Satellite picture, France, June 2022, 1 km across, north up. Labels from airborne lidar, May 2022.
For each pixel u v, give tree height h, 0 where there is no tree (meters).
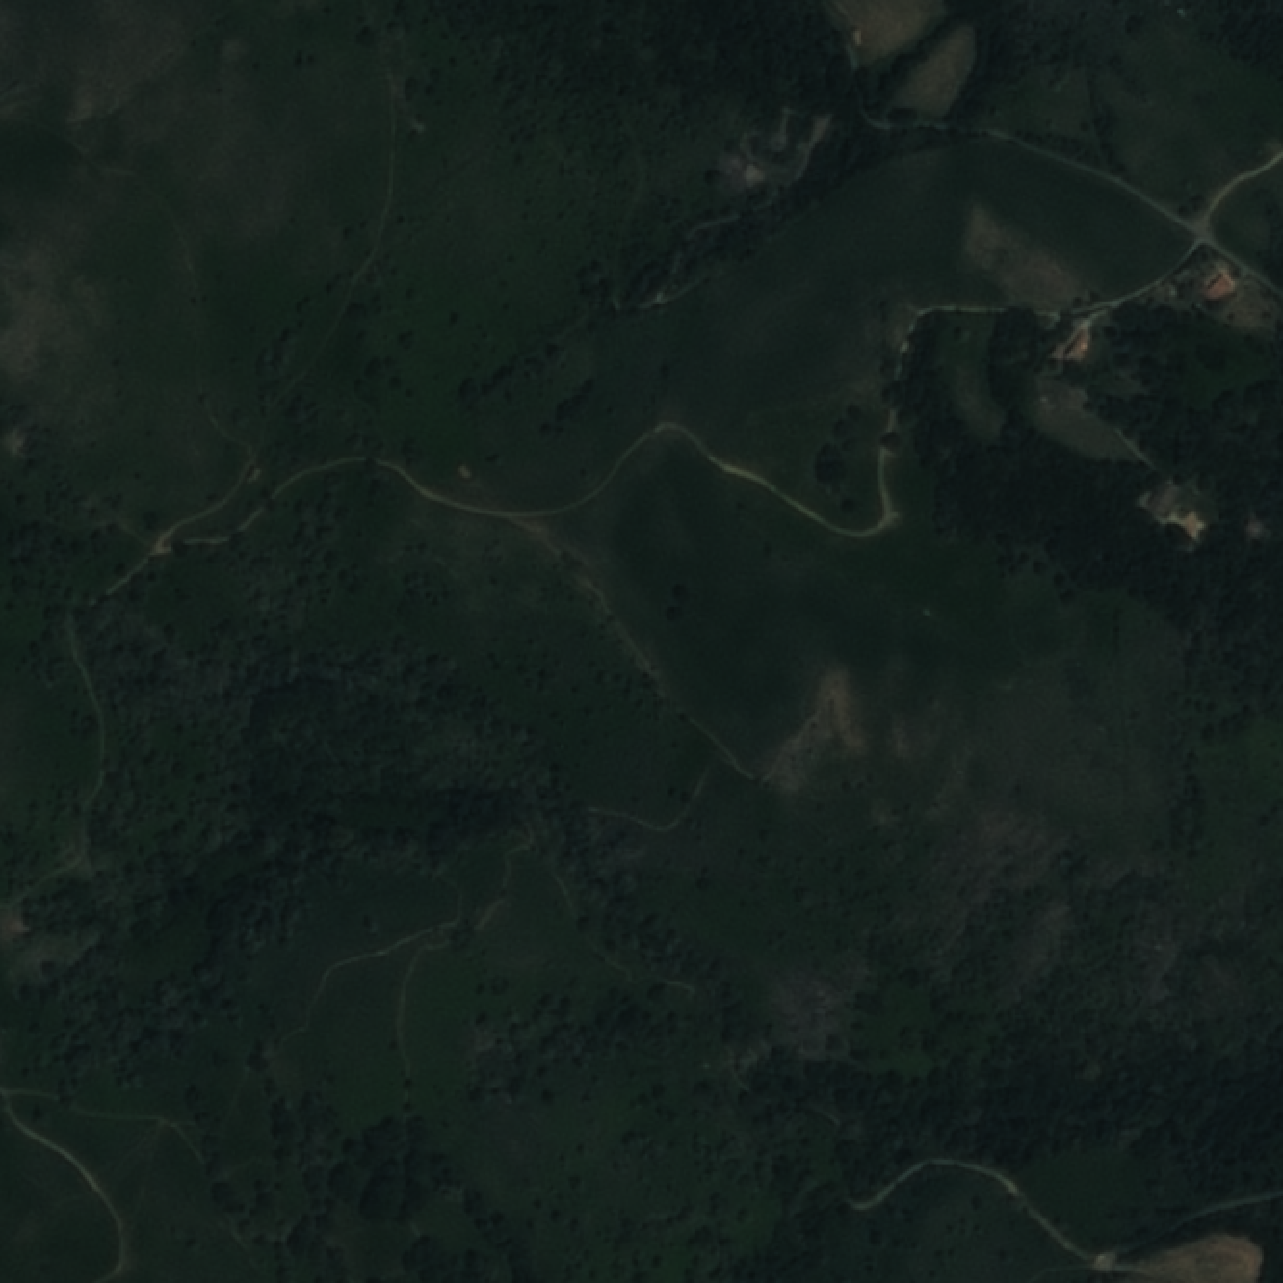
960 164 0
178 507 0
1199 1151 10
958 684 0
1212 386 0
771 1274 11
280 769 22
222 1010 7
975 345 0
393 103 0
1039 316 9
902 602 0
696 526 0
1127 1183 0
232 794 11
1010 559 8
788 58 13
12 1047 0
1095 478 19
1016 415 9
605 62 17
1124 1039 13
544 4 9
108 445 0
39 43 0
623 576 0
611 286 16
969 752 0
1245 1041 13
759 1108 10
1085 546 17
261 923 13
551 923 0
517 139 12
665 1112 11
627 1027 15
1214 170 0
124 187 0
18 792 0
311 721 16
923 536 0
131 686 18
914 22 0
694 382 0
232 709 11
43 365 0
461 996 0
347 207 0
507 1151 0
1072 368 17
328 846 12
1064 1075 14
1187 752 14
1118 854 0
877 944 13
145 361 0
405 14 13
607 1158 0
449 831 17
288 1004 0
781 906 0
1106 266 0
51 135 0
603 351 0
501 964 0
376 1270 0
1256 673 17
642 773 0
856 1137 14
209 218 0
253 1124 0
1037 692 0
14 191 0
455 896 0
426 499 0
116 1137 0
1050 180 0
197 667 11
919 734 0
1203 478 11
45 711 0
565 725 7
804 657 0
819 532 0
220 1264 0
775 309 0
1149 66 0
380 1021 0
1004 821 0
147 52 0
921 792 0
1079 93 0
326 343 0
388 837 16
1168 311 15
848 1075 19
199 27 0
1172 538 13
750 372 0
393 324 0
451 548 0
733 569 0
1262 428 17
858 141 8
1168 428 16
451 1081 0
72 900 19
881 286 0
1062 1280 0
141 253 0
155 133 0
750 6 14
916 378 16
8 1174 0
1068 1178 0
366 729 15
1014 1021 10
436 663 16
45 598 7
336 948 0
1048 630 0
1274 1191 6
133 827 15
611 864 7
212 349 0
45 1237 0
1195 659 18
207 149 0
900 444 11
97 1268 0
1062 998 9
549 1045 14
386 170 0
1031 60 8
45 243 0
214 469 0
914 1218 9
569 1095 0
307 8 0
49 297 0
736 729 0
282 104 0
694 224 8
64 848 12
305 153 0
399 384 9
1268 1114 19
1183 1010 15
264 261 0
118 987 9
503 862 0
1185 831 13
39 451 12
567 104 7
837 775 0
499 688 0
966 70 0
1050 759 0
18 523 0
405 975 0
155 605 0
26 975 0
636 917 15
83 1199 0
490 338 9
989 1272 0
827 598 0
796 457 0
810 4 14
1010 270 0
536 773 11
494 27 12
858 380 0
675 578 0
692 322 0
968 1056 7
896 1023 0
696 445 0
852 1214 9
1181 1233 11
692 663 0
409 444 7
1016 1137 15
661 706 7
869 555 0
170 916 14
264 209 0
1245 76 0
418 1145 15
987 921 11
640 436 0
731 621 0
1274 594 15
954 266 0
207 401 7
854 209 0
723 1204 11
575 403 10
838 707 0
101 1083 0
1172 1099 14
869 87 15
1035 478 19
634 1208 0
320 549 8
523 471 0
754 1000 0
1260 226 0
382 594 0
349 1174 18
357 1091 0
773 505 0
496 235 0
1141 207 0
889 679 0
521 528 0
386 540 0
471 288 0
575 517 0
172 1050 8
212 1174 12
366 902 0
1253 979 6
